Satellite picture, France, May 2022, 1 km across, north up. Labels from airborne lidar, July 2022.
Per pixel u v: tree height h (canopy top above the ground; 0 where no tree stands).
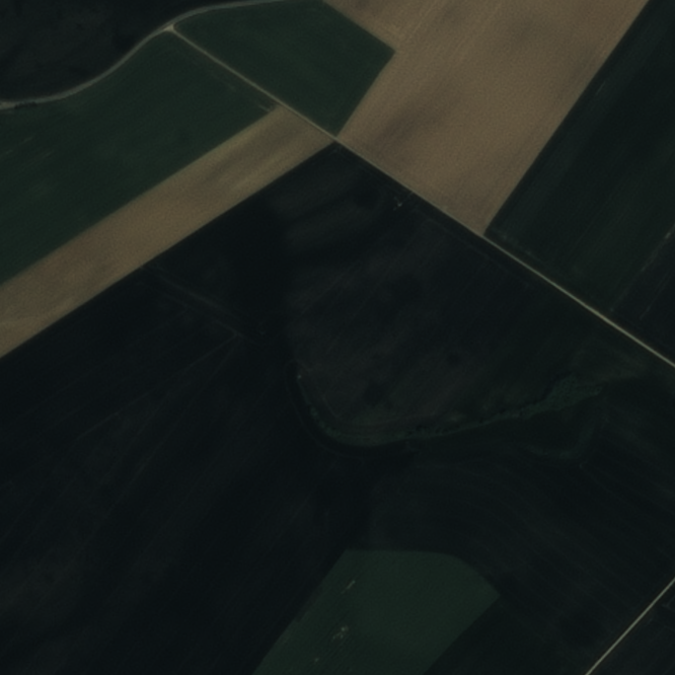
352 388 0
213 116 0
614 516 0
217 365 0
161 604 0
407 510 0
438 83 0
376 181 0
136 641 0
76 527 0
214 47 0
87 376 0
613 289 0
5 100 0
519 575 0
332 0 0
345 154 0
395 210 0
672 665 0
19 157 0
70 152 0
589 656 0
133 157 0
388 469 0
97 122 0
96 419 0
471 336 0
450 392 0
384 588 0
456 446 0
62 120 0
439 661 0
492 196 0
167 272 0
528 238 0
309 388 0
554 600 0
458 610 0
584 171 0
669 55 0
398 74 0
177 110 0
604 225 0
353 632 0
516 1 0
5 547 0
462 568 0
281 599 0
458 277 0
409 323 0
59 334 0
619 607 0
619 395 0
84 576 0
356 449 0
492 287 0
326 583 0
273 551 0
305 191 0
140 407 0
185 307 0
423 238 0
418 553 0
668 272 0
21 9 0
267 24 0
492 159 0
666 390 0
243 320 0
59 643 0
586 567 0
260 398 0
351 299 0
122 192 0
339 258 0
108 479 0
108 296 0
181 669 0
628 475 0
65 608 0
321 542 0
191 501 0
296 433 0
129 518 0
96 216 0
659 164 0
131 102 0
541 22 0
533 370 0
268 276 0
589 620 0
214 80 0
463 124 0
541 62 0
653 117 0
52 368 0
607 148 0
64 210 0
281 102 0
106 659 0
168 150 0
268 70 0
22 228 0
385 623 0
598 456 0
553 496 0
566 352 0
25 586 0
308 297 0
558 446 0
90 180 0
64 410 0
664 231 0
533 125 0
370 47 0
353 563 0
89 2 0
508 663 0
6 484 0
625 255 0
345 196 0
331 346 0
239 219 0
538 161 0
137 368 0
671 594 0
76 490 0
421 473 0
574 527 0
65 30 0
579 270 0
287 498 0
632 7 0
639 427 0
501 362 0
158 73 0
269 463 0
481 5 0
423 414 0
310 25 0
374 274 0
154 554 0
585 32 0
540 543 0
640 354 0
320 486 0
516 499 0
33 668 0
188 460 0
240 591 0
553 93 0
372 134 0
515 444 0
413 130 0
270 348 0
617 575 0
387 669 0
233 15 0
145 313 0
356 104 0
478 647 0
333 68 0
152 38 0
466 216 0
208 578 0
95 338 0
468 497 0
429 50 0
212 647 0
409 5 0
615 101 0
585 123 0
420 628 0
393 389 0
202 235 0
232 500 0
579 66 0
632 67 0
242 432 0
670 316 0
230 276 0
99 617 0
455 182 0
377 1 0
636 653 0
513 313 0
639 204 0
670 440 0
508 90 0
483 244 0
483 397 0
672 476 0
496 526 0
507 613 0
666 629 0
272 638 0
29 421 0
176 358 0
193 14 0
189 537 0
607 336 0
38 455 0
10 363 0
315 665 0
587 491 0
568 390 19
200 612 0
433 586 0
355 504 0
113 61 0
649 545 0
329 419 0
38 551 0
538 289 0
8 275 0
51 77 0
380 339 0
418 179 0
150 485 0
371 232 0
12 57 0
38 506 0
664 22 0
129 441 0
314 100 0
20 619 0
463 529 0
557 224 0
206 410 0
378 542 0
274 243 0
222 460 0
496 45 0
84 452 0
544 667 0
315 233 0
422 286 0
